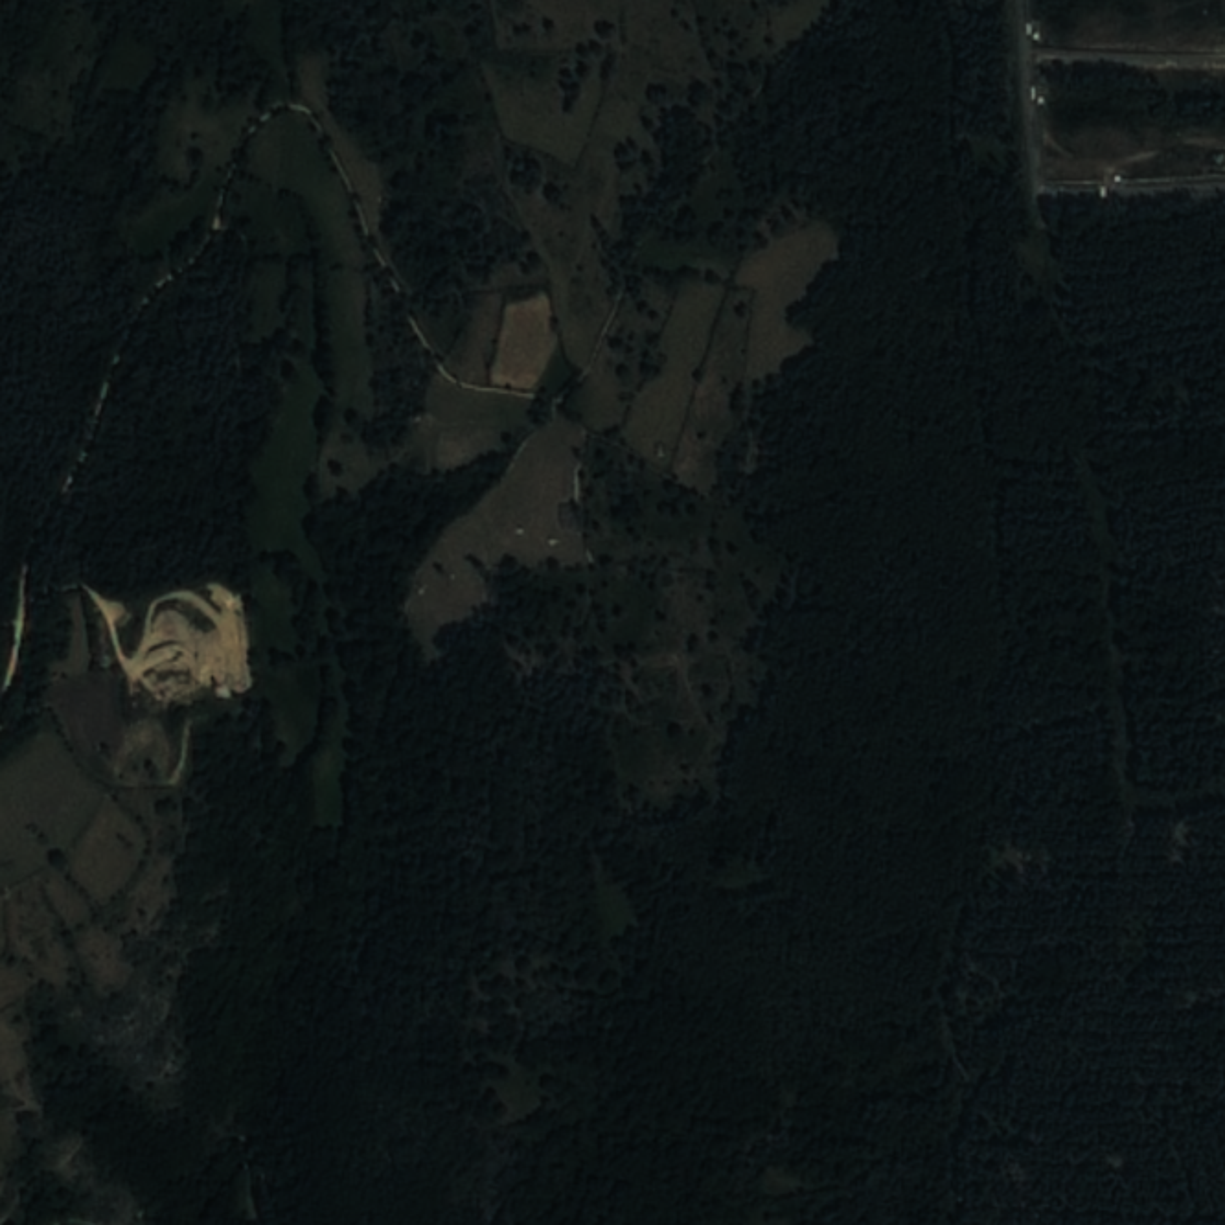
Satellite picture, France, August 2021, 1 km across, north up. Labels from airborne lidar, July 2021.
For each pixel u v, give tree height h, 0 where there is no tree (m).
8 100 8
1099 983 24
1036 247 0
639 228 17
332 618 14
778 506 17
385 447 8
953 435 21
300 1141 22
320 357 13
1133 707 22
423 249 6
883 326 20
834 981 16
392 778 16
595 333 0
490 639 13
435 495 9
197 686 0
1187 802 0
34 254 15
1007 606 21
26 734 10
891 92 16
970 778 24
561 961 6
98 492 13
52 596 11
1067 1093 20
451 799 10
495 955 11
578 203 0
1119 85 20
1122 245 23
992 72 21
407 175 10
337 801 0
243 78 10
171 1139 14
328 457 0
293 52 7
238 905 12
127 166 8
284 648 0
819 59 18
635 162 8
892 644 19
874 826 16
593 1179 14
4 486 8
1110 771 23
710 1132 12
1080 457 21
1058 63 0
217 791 11
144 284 8
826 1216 15
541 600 7
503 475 6
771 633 14
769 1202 8
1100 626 25
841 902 20
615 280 11
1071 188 0
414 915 17
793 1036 16
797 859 19
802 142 13
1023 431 22
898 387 19
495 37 0
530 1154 11
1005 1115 23
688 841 19
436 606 0
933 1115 14
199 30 6
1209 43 0
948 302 17
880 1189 10
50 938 0
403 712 14
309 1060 18
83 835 0
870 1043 17
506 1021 11
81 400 12
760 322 0
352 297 0
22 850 0
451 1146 10
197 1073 12
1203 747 21
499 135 0
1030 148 0
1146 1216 16
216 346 24
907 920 23
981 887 17
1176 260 20
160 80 15
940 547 17
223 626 0
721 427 0
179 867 9
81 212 11
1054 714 17
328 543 15
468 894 12
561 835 13
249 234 8
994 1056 19
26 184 12
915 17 18
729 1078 15
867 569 18
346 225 0
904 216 18
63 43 0
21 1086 0
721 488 6
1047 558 21
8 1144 0
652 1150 16
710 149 8
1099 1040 21
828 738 23
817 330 16
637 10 0
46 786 0
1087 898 21
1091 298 21
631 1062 13
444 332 0
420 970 11
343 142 0
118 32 14
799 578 9
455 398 0
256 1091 18
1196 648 19
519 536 0
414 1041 12
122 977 0
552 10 0
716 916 19
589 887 5
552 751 7
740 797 18
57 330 10
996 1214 20
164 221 0
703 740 0
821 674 19
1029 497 22
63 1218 14
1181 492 22
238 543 13
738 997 17
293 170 0
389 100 14
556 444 0
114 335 8
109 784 0
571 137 0
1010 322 20
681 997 12
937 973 18
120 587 13
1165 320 19
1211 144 0
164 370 16
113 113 8
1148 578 15
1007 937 21
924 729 22
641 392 0
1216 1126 19
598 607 8
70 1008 0
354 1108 18
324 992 13
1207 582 23
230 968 11
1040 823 21
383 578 12
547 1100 8
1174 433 23
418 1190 16
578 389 7
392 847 13
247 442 21
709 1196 8
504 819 6
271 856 12
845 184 18
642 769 0
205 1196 12
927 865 18
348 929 10
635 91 0
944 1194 18
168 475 14
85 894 7
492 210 0
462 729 12
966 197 18
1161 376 22
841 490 18
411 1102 8
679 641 0
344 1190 19
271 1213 15
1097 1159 19
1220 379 25
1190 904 19
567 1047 13
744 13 0
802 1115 9
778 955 14
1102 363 18
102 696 0
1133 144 0
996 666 15
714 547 11
